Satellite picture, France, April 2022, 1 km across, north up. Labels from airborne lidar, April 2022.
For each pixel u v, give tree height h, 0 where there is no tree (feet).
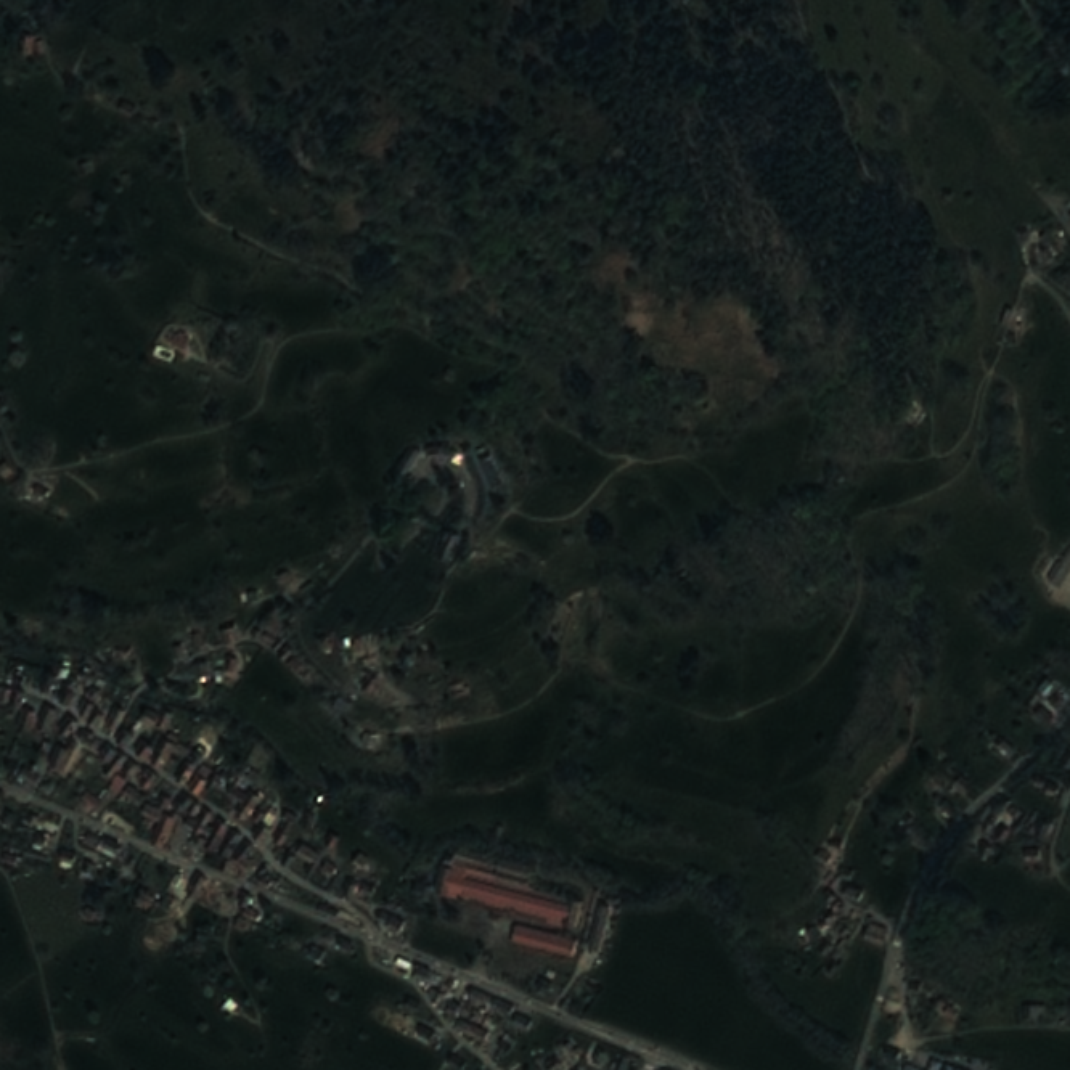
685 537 0
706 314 0
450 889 0
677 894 69
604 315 54
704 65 21
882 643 45
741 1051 0
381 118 33
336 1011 0
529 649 0
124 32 0
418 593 0
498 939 0
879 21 0
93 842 0
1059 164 0
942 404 44
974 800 0
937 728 0
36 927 0
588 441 29
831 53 0
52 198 0
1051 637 0
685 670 47
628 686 0
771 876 0
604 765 0
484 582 0
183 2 0
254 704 0
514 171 44
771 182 118
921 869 0
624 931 0
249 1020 0
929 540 77
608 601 31
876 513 0
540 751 0
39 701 0
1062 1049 0
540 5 33
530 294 50
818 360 64
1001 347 0
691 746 0
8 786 0
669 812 0
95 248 0
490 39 43
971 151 0
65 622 62
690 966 0
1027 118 52
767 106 102
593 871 54
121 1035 0
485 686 0
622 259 0
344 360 0
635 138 60
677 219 41
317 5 0
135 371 0
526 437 47
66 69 0
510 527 0
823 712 0
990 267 65
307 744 0
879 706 34
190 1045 0
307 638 0
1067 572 0
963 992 67
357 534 58
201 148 0
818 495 66
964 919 69
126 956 0
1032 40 73
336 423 0
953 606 0
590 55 81
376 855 0
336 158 64
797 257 42
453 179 59
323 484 0
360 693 0
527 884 0
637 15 81
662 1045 0
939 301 60
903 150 0
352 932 0
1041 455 0
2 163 0
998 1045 0
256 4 0
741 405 0
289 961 0
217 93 52
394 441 0
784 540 86
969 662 0
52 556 0
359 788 59
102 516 0
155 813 0
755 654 0
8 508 0
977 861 0
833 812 0
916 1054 0
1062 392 0
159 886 0
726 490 0
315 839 0
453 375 31
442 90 39
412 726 0
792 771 0
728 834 0
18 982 0
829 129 94
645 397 86
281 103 44
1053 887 0
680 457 0
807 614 44
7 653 28
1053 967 22
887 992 0
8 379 0
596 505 0
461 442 0
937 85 0
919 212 77
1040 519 0
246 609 0
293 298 0
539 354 78
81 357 0
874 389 73
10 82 22
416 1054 0
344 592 0
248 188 0
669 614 74
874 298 91
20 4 64
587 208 24
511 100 48
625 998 0
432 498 73
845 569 70
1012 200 0
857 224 109
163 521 0
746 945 56
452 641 0
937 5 0
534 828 0
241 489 0
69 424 0
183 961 20
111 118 0
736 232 66
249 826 0
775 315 41
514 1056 0
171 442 0
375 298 56
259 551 0
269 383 0
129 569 0
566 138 28
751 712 0
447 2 0
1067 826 0
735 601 32
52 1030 0
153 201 0
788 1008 54
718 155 84
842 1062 48
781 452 0
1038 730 0
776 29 107
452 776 0
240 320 42
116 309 0
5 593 0
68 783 20
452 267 61
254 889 0
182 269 0
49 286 0
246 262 0
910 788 0
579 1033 0
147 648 0
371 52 0
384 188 64
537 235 48
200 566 0
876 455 52
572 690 0
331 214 41
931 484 0
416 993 0
